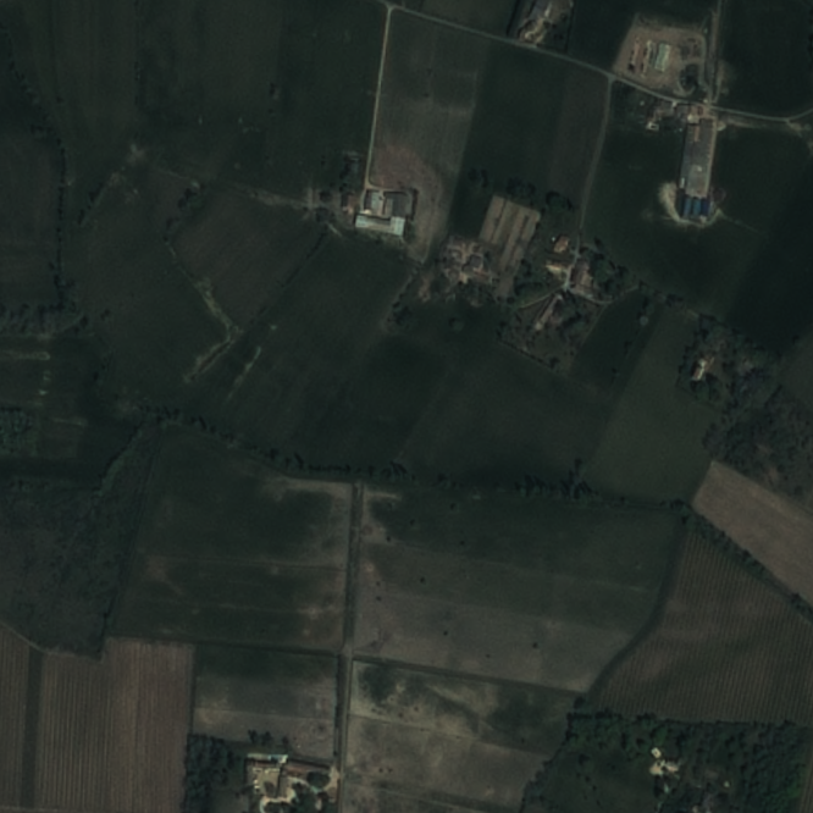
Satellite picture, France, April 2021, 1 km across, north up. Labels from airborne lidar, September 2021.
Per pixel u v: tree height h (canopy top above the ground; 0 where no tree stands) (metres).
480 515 0
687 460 0
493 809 0
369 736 0
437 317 0
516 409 0
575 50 0
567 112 0
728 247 0
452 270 0
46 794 0
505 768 0
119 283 0
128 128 0
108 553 0
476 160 0
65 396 0
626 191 0
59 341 0
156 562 0
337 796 0
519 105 0
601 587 0
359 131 0
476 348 0
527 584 0
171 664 0
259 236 0
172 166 0
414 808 0
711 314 0
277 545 0
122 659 0
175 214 0
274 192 0
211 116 0
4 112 0
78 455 0
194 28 0
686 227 0
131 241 0
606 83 0
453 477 0
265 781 0
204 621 0
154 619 0
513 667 0
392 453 0
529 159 0
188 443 0
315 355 0
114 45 0
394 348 0
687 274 0
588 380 0
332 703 0
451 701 0
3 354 0
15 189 0
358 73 0
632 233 0
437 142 0
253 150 0
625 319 0
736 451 11
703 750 10
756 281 0
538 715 0
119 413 0
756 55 0
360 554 0
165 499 0
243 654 0
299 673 0
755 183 0
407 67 0
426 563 0
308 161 0
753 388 21
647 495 0
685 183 0
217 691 0
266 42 0
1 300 0
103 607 0
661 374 0
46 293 0
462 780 0
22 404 0
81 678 0
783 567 0
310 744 0
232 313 0
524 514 0
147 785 0
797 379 0
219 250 0
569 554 0
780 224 0
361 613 0
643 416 0
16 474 0
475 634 0
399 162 0
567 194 0
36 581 0
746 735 10
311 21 0
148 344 0
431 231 0
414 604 0
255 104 0
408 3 0
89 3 0
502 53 0
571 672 0
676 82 0
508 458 0
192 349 0
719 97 0
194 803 10
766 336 0
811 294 0
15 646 0
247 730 0
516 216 0
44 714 0
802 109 0
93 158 0
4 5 0
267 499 0
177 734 0
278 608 0
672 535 0
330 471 8
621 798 0
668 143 0
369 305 0
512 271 9
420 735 0
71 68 0
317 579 0
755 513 0
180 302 0
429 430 0
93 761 0
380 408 0
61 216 11
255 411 0
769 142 0
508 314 14
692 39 0
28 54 0
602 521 0
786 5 0
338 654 0
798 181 0
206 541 0
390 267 0
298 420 0
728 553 16
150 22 0
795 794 18
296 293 0
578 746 18
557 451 0
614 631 0
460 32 0
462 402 0
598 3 0
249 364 0
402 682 0
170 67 0
